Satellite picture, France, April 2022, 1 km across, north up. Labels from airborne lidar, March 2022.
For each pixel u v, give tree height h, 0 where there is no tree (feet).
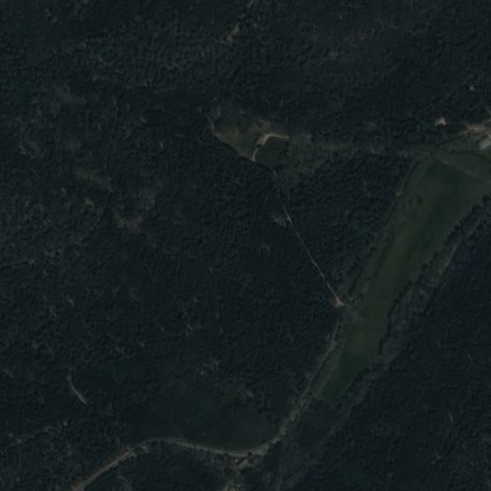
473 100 72
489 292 72
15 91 38
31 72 57
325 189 76
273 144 0
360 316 0
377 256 69
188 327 72
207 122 73
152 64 23
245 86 93
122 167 86
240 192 94
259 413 28
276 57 50
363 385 73
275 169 19
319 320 95
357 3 26
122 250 79
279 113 72
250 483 53
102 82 67
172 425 67
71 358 65
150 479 36
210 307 76
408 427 53
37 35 37
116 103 76
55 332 83
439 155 28
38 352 23
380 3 35
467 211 0
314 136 70
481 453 105
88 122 99
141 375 66
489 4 62
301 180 31
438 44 70
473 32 91
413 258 0
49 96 45
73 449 30
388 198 84
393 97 75
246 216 73
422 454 72
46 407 45
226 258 75
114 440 97
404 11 40
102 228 60
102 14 72
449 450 54
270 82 55
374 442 64
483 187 0
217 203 99
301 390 89
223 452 0
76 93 91
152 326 74
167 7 42
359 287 68
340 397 0
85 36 53
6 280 69
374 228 89
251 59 34
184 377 26
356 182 82
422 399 53
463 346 61
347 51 33
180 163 58
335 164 59
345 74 43
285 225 56
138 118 109
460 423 58
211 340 88
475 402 68
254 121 78
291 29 29
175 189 91
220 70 94
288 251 72
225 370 76
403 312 73
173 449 67
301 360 92
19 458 66
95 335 71
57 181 52
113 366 70
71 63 58
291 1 24
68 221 37
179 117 57
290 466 58
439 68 76
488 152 0
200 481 36
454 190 0
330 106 58
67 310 70
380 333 0
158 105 53
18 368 68
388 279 0
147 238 71
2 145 44
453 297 52
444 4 59
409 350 50
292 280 78
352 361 0
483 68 88
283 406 88
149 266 56
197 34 77
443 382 62
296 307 83
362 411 66
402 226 0
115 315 61
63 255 57
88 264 52
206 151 78
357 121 77
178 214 68
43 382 69
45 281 74
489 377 88
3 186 73
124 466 37
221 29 31
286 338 80
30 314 75
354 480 69
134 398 51
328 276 86
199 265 78
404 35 35
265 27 79
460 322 66
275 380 102
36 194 29
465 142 62
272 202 92
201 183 88
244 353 84
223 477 72
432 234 0
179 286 80
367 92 57
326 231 93
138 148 66
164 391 71
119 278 68
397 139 61
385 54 49
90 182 62
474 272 73
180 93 42
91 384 85
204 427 28
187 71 94
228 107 75
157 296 60
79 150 64
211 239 76
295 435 61
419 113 77
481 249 71
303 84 50
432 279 86
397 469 61
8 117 33
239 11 90
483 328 76
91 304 81
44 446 36
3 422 56
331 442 59
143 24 36
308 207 83
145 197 80
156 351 78
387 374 64
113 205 98
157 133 62
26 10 32
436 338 62
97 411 78
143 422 70
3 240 39
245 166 88
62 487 59
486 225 72
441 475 51
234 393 38
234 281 91
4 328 76
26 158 42
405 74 71
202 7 31
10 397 85
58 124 71
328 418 35
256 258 73
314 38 90
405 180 81
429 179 0
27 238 83
